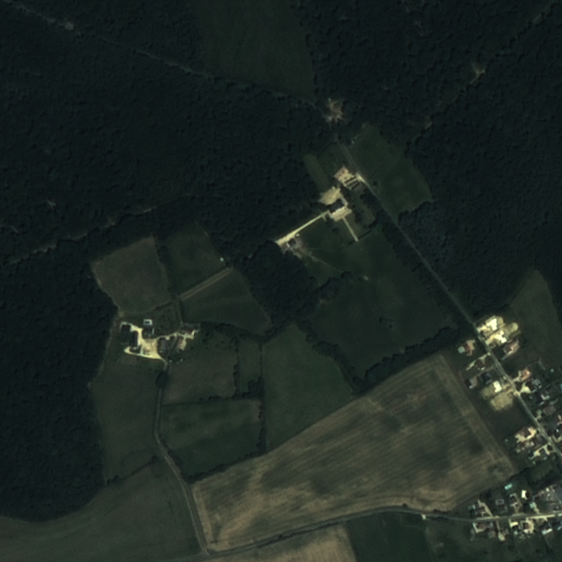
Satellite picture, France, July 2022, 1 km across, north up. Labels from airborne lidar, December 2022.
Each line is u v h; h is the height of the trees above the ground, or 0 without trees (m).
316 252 0
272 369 0
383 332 0
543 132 16
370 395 0
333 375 0
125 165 26
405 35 25
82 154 30
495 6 20
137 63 25
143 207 26
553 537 0
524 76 27
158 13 22
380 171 0
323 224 0
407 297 0
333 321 0
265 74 0
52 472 23
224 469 12
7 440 21
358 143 0
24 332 21
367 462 0
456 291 15
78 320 24
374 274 0
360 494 0
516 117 24
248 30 0
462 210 24
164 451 0
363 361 0
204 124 30
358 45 27
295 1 24
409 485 0
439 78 26
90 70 22
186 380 0
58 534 0
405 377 0
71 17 24
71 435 20
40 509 17
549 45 24
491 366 0
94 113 27
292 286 26
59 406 21
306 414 0
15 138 24
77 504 14
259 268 27
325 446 0
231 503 0
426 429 0
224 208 29
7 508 19
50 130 24
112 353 0
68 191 25
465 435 0
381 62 29
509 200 17
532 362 0
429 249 22
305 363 0
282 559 0
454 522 0
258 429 0
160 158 25
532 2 25
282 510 0
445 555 7
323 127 23
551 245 12
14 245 19
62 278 23
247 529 0
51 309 20
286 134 28
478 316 12
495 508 7
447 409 0
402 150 0
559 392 0
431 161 22
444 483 0
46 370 26
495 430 0
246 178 32
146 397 0
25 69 23
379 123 27
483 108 26
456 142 26
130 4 24
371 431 0
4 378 21
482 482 0
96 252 23
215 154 29
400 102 28
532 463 0
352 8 22
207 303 0
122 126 28
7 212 23
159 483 0
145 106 27
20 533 0
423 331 0
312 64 0
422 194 0
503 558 0
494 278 21
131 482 0
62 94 22
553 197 22
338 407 0
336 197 0
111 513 0
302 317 21
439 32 23
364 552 0
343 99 23
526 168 19
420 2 23
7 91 26
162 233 22
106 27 25
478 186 24
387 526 0
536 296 0
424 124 27
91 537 0
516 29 23
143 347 0
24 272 20
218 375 0
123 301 0
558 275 11
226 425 0
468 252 19
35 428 17
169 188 12
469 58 25
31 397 28
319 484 0
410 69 27
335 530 0
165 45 23
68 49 19
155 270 0
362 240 0
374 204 21
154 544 0
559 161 18
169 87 26
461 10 23
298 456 0
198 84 21
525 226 20
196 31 23
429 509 0
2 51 23
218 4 0
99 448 13
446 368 0
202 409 0
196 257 0
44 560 0
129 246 13
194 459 0
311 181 23
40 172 23
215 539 0
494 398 0
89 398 18
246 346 0
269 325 0
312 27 23
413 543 0
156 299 0
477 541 0
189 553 0
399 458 0
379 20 27
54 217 27
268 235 29
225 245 24
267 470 0
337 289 21
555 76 25
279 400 0
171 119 27
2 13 20
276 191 27
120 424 0
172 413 0
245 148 29
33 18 21
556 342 0
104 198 23
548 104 19
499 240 19
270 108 30
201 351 0
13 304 21
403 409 0
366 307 0
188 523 0
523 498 0
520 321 0
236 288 0
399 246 17
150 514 0
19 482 21
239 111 33
